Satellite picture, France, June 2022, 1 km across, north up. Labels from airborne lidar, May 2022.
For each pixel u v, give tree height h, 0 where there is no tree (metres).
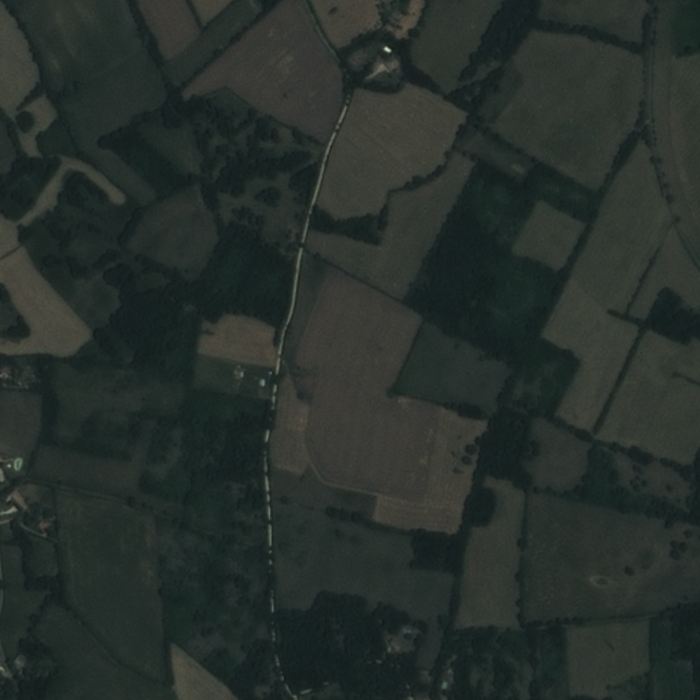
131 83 0
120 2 0
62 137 0
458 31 0
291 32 0
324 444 0
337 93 0
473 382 0
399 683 13
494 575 0
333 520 8
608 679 0
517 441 9
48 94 11
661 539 0
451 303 12
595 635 0
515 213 5
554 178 8
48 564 0
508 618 0
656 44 8
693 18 0
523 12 13
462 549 12
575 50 0
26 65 0
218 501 7
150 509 7
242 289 10
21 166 18
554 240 0
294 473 0
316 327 0
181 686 0
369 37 6
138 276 10
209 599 6
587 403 0
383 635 9
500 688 9
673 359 0
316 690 13
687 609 13
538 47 0
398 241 0
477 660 6
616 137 0
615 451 12
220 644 0
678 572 0
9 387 10
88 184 8
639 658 0
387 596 0
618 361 0
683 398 0
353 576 0
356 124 0
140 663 0
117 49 0
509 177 8
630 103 0
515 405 8
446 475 0
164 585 7
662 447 0
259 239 8
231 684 10
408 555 0
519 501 0
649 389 0
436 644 0
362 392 0
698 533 0
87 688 0
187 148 0
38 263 0
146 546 0
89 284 0
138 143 8
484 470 11
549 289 6
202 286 11
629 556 0
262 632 0
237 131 10
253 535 0
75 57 0
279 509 0
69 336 0
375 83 11
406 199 0
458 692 8
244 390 0
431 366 0
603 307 0
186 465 9
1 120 10
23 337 10
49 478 0
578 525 0
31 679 9
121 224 0
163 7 0
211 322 11
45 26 0
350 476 0
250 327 0
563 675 0
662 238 0
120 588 0
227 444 8
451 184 0
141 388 0
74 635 0
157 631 0
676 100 0
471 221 10
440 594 0
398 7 15
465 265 11
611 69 0
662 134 0
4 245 0
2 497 11
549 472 0
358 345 0
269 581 8
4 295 11
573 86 0
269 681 8
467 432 0
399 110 0
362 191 0
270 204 10
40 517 10
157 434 7
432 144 0
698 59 0
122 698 0
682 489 0
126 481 0
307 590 0
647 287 0
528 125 0
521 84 0
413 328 0
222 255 10
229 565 0
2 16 0
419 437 0
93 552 0
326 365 0
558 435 0
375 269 0
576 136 0
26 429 0
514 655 8
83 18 0
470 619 0
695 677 9
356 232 14
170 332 6
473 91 12
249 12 0
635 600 0
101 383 0
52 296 0
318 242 0
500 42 13
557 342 0
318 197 0
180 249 0
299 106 0
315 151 0
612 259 0
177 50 0
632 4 0
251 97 0
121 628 0
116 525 0
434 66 0
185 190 11
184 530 11
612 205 0
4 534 0
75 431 0
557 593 0
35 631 9
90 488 0
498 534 0
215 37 0
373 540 0
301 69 0
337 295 0
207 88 0
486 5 0
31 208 8
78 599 0
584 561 0
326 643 12
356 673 10
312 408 0
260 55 0
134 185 0
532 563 0
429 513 0
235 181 14
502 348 12
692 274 0
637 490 9
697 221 0
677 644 6
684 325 7
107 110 0
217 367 0
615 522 0
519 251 0
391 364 0
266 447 10
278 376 9
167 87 11
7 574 0
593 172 0
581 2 0
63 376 0
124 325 14
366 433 0
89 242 0
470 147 0
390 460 0
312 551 0
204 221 0
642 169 0
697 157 0
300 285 0
